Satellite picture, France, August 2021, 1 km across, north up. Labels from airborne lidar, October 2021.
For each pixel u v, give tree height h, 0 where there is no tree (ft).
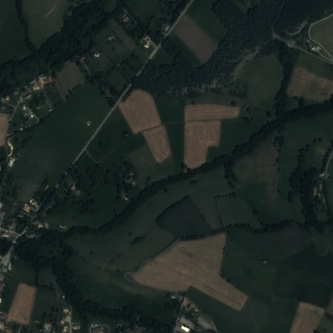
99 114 0
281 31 32
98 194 0
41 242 47
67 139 0
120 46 0
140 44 25
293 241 0
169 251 0
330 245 0
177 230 0
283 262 0
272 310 0
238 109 0
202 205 0
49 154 0
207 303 0
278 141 59
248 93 0
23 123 0
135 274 0
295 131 0
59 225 21
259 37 22
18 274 0
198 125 0
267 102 0
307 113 81
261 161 0
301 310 0
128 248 0
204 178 0
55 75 55
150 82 65
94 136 0
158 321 55
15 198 19
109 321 0
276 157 0
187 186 0
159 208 0
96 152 0
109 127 0
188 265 0
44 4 0
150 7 0
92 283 0
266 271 0
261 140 61
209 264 0
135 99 0
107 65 0
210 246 0
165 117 0
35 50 65
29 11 0
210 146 0
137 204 71
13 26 0
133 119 0
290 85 0
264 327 0
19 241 62
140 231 0
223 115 0
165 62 0
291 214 0
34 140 0
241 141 0
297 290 0
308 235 0
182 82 45
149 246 0
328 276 0
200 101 0
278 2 40
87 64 26
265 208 0
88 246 0
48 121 0
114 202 0
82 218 0
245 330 0
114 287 0
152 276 0
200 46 0
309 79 0
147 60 0
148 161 0
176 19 50
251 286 0
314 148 0
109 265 0
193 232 0
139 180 0
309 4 44
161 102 0
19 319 0
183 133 0
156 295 0
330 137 0
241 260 0
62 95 0
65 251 33
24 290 0
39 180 0
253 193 0
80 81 0
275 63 0
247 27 35
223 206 0
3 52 0
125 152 0
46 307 0
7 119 0
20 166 0
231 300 0
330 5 34
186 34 0
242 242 0
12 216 27
